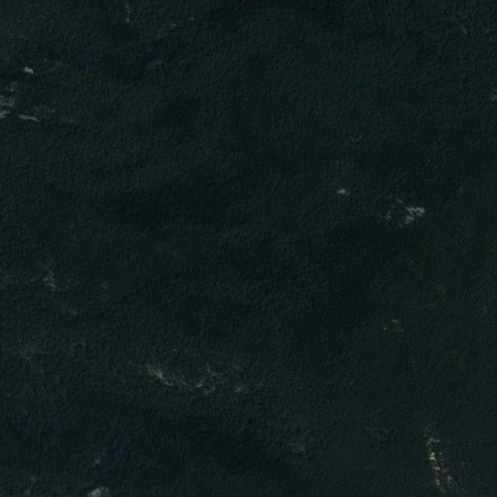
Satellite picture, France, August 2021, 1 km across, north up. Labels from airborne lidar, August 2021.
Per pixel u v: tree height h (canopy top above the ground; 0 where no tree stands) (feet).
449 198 26
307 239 33
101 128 30
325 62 23
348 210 35
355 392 25
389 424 39
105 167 56
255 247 69
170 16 32
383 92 45
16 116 22
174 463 56
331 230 52
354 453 53
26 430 72
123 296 20
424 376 40
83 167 57
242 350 54
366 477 76
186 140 41
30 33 45
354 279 42
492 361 50
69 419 39
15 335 39
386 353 31
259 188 44
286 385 40
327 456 41
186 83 54
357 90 44
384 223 36
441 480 39
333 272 29
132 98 62
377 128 35
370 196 28
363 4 28
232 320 30
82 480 37
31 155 52
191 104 53
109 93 46
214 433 72
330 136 42
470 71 42
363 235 43
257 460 65
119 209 75
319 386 43
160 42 51
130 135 47
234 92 52
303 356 42
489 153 37
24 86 18
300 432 42
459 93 55
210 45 58
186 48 75
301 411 47
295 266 52
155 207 62
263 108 39
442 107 39
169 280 55
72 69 26
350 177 30
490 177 43
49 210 24
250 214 39
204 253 40
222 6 62
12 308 40
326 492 62
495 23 35
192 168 54
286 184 46
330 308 37
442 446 48
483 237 39
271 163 39
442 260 40
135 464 46
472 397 47
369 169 46
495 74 44
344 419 43
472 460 60
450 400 45
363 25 55
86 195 60
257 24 35
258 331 49
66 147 51
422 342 59
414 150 34
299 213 43
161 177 43
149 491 20
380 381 31
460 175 46
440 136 32
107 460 53
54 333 29
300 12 64
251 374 39
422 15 52
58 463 49
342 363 27
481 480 62
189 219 53
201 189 64
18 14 42
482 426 46
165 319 46
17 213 32
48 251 21
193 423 71
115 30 53
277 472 61
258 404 36
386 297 32
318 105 41
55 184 68
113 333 51
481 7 51
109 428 47
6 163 31
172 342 33
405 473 61
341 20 49
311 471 31
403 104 54
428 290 40
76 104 42
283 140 46
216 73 37
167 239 30
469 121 47
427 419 51
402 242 38
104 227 44
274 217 47
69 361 54
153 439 40
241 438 45
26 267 20
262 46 40
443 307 40
